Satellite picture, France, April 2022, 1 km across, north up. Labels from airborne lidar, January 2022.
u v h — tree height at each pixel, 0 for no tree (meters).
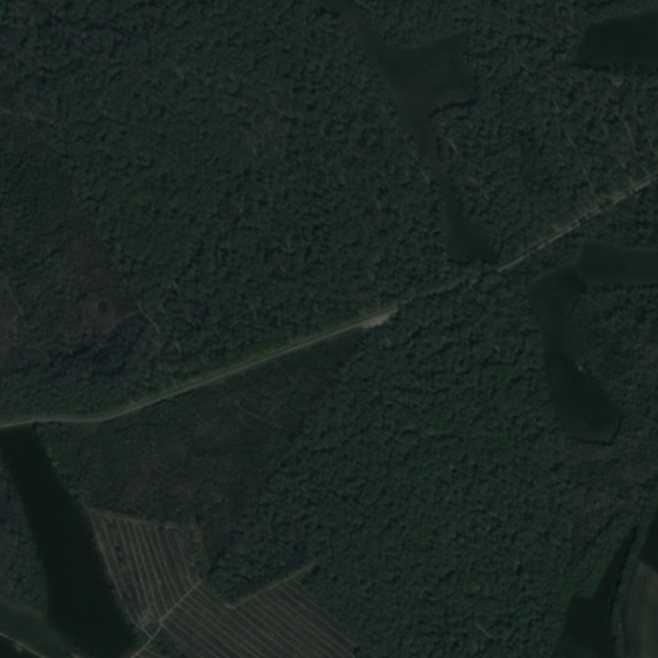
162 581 0
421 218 25
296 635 0
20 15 23
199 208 19
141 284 30
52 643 0
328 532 21
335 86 26
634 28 0
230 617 0
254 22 23
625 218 22
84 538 0
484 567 24
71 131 23
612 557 16
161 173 30
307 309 24
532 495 26
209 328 23
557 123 27
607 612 0
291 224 25
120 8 29
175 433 9
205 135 23
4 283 19
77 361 13
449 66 0
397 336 22
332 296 23
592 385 0
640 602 0
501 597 16
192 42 27
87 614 0
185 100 29
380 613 22
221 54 29
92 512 22
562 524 24
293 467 12
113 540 0
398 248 21
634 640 0
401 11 23
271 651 0
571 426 0
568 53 16
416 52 0
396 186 27
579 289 0
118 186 27
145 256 30
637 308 23
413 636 23
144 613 0
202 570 19
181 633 0
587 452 12
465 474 21
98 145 20
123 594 0
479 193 22
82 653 0
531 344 25
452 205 0
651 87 14
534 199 23
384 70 0
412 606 23
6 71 27
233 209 23
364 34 0
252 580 11
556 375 0
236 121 25
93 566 0
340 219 22
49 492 0
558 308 0
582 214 21
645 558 0
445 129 12
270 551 21
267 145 27
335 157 23
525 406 22
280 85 28
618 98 28
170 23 27
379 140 24
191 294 24
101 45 20
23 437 0
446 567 21
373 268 21
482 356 25
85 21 12
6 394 21
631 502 14
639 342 10
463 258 0
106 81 24
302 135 25
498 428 19
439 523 19
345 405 22
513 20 28
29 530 17
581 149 25
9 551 30
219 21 23
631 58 0
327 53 25
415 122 0
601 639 0
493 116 25
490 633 18
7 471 19
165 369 27
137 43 29
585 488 13
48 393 19
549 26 30
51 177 10
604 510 12
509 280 15
